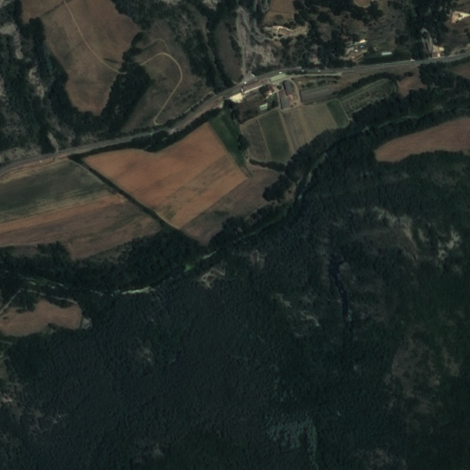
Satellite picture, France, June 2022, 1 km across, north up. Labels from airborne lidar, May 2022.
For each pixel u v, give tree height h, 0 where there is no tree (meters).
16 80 12
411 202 10
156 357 8
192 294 10
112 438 10
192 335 15
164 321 7
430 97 9
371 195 8
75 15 0
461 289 11
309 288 6
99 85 0
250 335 11
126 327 16
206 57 14
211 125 0
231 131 0
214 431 15
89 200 0
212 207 0
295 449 17
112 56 0
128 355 9
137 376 15
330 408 6
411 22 14
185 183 0
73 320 0
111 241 0
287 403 15
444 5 10
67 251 8
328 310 7
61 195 0
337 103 0
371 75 10
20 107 11
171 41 0
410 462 8
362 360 8
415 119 11
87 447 12
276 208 11
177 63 0
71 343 11
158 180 0
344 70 0
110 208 0
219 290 8
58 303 14
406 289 6
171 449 13
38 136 10
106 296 9
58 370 13
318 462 7
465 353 9
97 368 10
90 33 0
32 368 8
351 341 12
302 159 31
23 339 10
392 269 6
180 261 26
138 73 15
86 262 8
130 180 0
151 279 13
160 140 9
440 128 0
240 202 0
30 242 0
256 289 9
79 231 0
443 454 7
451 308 8
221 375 17
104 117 11
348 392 9
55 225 0
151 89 0
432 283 9
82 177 0
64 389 9
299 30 0
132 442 8
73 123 13
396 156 0
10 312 0
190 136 0
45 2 0
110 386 8
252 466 12
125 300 17
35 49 15
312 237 12
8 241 0
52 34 0
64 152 0
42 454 12
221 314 13
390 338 7
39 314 0
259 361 8
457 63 13
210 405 16
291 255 8
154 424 12
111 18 0
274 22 6
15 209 0
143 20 7
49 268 14
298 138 0
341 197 7
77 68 0
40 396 10
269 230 11
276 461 13
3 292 6
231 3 12
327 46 12
